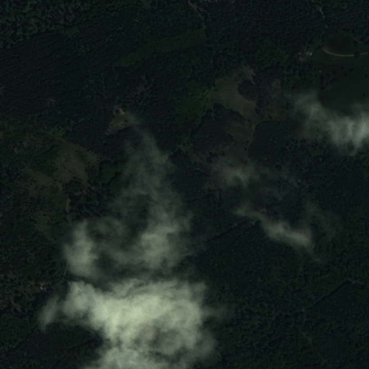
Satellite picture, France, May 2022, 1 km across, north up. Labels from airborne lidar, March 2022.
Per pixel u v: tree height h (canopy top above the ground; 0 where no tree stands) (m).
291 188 22
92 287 22
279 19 29
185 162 25
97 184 30
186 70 22
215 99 0
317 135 0
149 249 22
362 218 22
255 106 0
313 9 26
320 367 17
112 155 18
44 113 24
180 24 19
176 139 18
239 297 22
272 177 6
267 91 29
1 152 9
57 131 15
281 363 21
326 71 0
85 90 18
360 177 21
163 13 16
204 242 25
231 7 27
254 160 6
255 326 29
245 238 24
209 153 0
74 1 29
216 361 16
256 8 28
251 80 0
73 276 15
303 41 14
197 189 19
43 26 31
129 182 25
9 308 23
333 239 17
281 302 23
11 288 8
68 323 20
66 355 22
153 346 18
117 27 16
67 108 18
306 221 22
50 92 23
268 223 24
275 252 21
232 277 23
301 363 12
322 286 20
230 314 27
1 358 26
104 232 11
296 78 14
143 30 16
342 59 0
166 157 0
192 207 21
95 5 14
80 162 0
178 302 24
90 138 21
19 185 7
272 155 6
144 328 22
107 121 17
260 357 23
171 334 18
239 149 0
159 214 25
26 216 10
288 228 21
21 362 24
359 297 18
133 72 18
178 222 24
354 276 19
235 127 0
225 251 22
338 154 28
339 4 33
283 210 23
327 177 28
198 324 27
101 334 21
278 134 6
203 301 19
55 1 6
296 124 7
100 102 18
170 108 20
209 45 18
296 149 26
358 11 41
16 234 8
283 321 19
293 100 13
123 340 23
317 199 22
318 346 13
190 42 18
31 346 21
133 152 15
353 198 21
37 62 22
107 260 19
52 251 7
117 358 25
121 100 10
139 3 20
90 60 19
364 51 0
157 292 20
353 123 18
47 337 24
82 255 17
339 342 12
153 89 18
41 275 7
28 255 8
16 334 25
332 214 21
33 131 7
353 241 25
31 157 6
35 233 6
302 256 21
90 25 21
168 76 24
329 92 0
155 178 19
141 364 33
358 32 24
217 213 24
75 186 7
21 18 32
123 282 24
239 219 26
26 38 21
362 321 26
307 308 16
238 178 7
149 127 17
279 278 19
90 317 21
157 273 17
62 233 9
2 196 44
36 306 25
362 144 25
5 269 10
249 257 22
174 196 20
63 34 17
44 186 7
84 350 17
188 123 21
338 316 19
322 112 10
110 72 20
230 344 23
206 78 21
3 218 9
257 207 8
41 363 23
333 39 0
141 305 21
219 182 24
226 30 27
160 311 19
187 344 21
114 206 35
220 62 24
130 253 23
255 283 21
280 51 24
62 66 19
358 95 0
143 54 17
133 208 20
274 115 0
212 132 28
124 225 18
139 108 17
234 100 0
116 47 19
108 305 22
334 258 22
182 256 18
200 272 22
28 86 21
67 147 0
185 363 27
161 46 16
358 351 7
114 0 32
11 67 23
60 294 23
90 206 12
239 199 26
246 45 30
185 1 15
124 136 17
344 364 21
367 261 21
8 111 18
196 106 22
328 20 30
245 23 26
